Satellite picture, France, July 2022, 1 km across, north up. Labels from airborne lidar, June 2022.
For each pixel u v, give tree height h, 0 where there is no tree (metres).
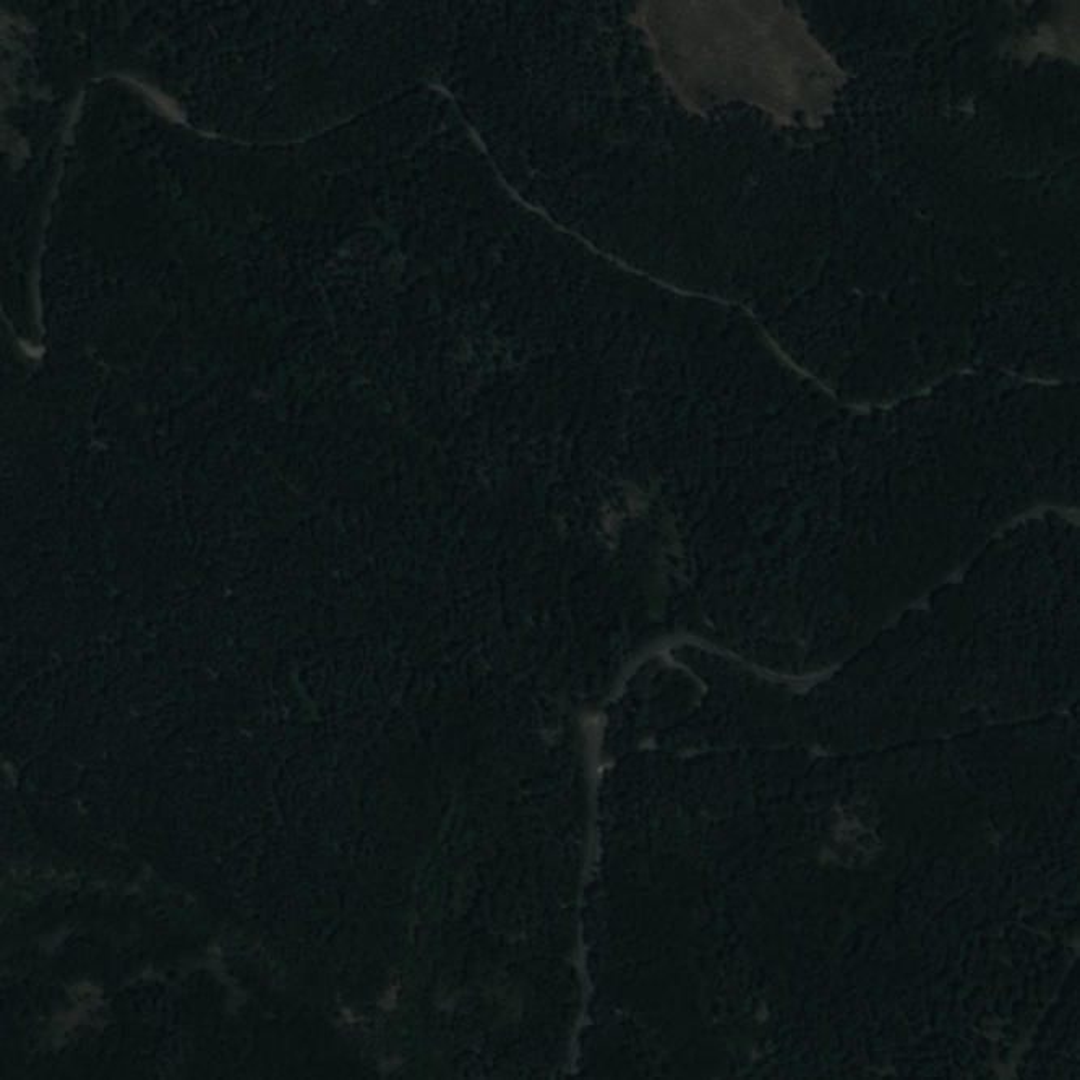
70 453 21
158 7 9
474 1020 7
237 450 8
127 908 15
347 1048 11
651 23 0
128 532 16
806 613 9
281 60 22
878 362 19
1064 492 15
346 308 15
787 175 11
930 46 15
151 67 13
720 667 30
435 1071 8
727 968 20
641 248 14
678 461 27
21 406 15
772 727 17
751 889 15
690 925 13
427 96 16
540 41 20
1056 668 17
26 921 20
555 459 26
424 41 20
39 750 15
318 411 25
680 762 15
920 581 23
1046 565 20
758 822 17
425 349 14
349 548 17
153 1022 8
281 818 10
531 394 13
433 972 13
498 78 25
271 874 19
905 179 18
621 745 19
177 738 23
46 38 11
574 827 21
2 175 15
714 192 17
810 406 17
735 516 21
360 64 14
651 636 14
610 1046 18
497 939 12
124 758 24
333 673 23
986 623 28
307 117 12
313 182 13
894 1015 17
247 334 8
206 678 20
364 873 18
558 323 16
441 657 15
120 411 18
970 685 25
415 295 16
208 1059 14
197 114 17
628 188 17
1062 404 20
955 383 17
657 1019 13
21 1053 17
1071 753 11
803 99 0
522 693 16
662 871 12
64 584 22
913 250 18
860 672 20
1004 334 27
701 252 16
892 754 19
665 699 11
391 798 14
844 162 20
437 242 18
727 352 18
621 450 10
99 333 14
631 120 12
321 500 23
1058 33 0
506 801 12
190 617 27
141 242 17
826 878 17
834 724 20
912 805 24
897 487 19
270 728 21
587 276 18
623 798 18
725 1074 14
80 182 13
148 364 7
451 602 11
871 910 12
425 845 14
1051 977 20
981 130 11
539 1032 16
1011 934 21
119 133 15
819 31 16
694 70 0
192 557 18
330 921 20
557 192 19
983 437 22
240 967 7
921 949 14
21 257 12
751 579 21
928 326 19
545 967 11
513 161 19
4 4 13
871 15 10
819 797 17
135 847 10
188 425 12
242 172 15
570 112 16
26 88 14
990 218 17
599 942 21
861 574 21
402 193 18
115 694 22
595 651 7
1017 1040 21
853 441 28
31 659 19
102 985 16
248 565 21
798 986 18
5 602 22
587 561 18
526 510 14
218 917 13
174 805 19
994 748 20
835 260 13
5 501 21
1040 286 16
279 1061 14
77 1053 10
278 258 16
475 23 19
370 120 18
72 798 19
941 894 15
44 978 14
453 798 19
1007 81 6
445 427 10
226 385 21
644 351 18
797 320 17
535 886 11
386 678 23
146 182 18
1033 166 18
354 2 12
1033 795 11
